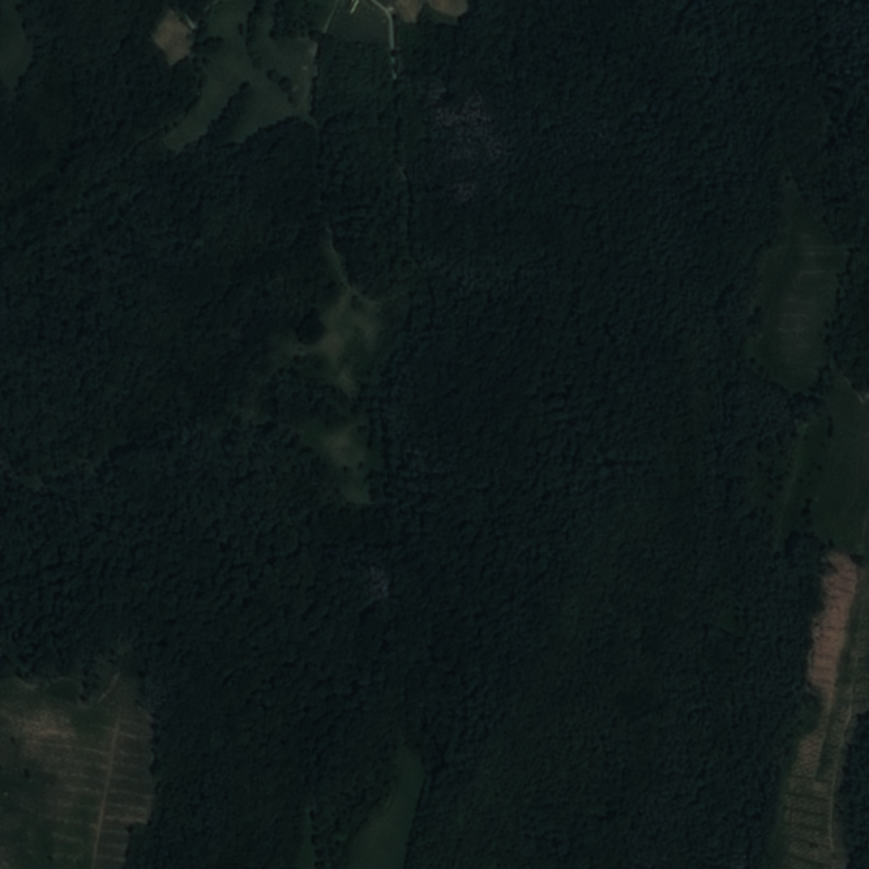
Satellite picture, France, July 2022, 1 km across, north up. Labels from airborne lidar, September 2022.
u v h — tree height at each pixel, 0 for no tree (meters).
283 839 19
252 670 26
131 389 13
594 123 0
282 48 0
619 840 14
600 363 30
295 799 18
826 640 0
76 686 0
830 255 0
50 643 28
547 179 26
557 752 6
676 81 28
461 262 19
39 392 12
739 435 41
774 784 31
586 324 25
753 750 21
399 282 17
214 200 25
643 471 16
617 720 12
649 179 21
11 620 28
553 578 25
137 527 32
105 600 28
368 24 0
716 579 14
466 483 26
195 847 25
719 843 22
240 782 23
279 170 25
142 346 15
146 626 25
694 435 18
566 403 24
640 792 18
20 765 0
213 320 21
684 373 20
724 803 16
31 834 0
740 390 38
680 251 20
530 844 23
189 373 14
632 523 7
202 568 27
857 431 0
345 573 37
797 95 26
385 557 26
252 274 22
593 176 30
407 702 26
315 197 25
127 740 0
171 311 22
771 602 15
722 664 19
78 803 0
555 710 14
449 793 21
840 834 0
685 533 18
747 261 18
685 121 27
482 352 27
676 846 22
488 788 9
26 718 0
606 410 25
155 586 16
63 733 0
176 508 21
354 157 18
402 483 29
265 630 28
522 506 21
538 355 22
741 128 19
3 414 26
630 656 22
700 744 13
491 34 20
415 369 25
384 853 0
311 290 16
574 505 17
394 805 0
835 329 16
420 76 22
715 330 8
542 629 21
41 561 28
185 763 15
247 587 35
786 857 0
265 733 14
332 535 11
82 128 24
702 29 14
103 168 17
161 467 32
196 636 32
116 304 26
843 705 0
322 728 29
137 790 0
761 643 19
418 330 20
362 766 24
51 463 21
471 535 24
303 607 28
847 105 25
